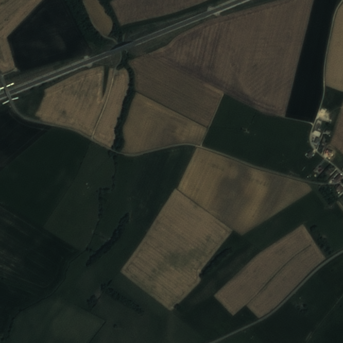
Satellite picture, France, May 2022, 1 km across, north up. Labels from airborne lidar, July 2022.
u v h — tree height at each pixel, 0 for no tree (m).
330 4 0
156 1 0
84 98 0
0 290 0
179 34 0
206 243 0
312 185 0
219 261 11
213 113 0
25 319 0
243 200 0
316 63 0
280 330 0
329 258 0
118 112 0
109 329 0
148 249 0
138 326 0
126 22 0
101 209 13
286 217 0
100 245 0
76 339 0
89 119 0
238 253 0
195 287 0
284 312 0
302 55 0
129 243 0
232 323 0
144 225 0
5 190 0
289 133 0
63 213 0
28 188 0
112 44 0
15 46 0
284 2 0
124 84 0
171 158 0
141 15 0
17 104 0
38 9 0
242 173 0
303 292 0
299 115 0
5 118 0
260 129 0
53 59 0
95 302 9
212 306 0
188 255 0
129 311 0
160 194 0
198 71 0
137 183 0
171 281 0
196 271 0
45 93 0
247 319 0
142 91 0
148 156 0
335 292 0
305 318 0
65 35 0
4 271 0
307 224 0
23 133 0
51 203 0
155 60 0
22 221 0
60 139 0
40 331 0
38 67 0
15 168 0
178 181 0
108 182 0
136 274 0
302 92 0
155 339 0
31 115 0
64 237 0
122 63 8
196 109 0
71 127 0
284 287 0
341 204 0
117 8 0
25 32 0
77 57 0
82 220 0
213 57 0
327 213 0
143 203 0
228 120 0
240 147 0
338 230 0
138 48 0
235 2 0
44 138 0
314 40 0
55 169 0
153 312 0
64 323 0
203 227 0
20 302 0
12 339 0
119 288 0
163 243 0
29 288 0
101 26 0
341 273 0
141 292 0
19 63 0
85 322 0
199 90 0
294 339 0
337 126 0
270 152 0
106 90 0
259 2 0
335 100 0
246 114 0
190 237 0
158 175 0
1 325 0
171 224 0
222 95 0
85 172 0
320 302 0
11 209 0
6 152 0
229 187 0
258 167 0
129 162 0
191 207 0
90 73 0
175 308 10
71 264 0
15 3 0
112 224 0
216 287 0
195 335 0
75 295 0
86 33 18
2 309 0
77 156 0
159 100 0
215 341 0
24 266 0
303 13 0
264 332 0
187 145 0
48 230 0
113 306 0
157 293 0
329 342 0
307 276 0
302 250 0
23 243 0
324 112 0
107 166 0
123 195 0
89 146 0
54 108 0
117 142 18
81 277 0
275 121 0
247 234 0
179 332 0
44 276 0
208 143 0
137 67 0
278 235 0
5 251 0
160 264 0
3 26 0
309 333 0
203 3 0
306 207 0
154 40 0
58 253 0
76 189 0
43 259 0
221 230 0
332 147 0
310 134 0
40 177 0
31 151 0
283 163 0
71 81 0
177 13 0
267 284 0
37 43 0
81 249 0
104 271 0
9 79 0
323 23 0
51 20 0
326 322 0
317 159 0
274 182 0
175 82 0
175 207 0
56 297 0
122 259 0
